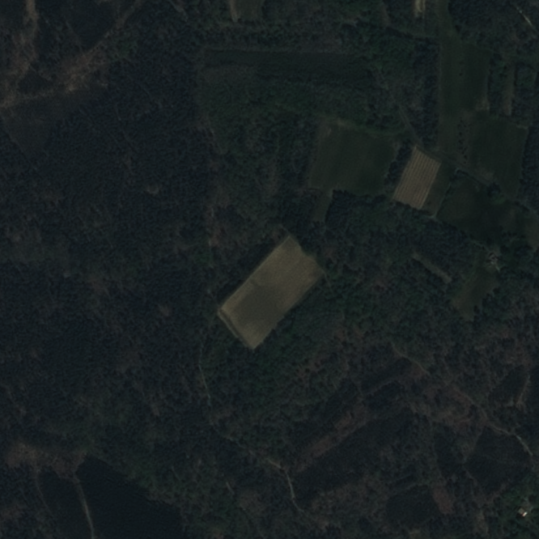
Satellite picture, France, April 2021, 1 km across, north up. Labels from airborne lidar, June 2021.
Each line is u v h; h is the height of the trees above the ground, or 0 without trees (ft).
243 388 41
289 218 40
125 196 51
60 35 23
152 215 54
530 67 39
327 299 21
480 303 0
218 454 54
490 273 0
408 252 45
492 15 80
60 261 57
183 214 54
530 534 46
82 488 25
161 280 63
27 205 59
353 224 46
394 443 25
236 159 67
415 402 48
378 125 25
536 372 31
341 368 41
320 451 30
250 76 54
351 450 29
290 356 48
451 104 0
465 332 39
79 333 61
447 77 0
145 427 68
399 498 21
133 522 30
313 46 29
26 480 71
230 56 24
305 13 62
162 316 38
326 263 19
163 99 43
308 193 28
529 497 50
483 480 32
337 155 0
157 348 47
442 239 55
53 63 58
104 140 58
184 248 50
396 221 68
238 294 0
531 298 19
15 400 50
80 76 0
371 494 38
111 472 24
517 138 0
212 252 48
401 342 67
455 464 27
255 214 72
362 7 64
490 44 49
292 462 28
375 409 69
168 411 41
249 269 29
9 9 23
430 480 26
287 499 31
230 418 32
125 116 50
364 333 24
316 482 33
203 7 38
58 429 57
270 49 51
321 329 66
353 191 0
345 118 62
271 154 91
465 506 30
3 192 54
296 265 0
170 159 57
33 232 59
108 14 23
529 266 67
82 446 60
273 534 44
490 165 0
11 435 49
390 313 46
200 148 60
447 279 0
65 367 62
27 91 24
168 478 93
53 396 63
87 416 57
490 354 35
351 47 46
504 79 61
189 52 63
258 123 38
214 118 54
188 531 47
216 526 55
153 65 56
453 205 0
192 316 53
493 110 43
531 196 56
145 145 57
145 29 46
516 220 0
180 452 66
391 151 0
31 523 59
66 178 55
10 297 63
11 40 55
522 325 75
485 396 35
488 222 0
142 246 75
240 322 0
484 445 21
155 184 63
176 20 60
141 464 51
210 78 47
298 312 44
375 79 58
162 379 49
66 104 21
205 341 46
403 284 61
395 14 69
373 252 50
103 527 19
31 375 55
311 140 37
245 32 89
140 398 60
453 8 32
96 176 60
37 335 70
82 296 56
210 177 57
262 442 28
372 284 38
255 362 35
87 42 24
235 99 73
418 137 33
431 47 66
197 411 51
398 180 60
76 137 62
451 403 31
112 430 68
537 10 53
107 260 78
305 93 60
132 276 70
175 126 59
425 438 21
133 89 49
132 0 21
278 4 55
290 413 34
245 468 73
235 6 0
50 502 21
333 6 54
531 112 50
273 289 0
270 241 39
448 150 0
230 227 27
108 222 56
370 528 88
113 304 27
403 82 48
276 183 23
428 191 0
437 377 51
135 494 28
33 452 0
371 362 29
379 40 84
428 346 97
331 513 21
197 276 60
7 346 64
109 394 49
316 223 0
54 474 30
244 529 73
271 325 0
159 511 24
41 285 67
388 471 27
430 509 36
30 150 21
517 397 26
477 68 0
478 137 0
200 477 19
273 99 70
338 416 29
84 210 72
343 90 56
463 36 23
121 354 60
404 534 42
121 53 62
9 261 35
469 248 83
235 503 50
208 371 37
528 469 23
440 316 92
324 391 45
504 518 44
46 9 25
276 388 46
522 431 27
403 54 70
